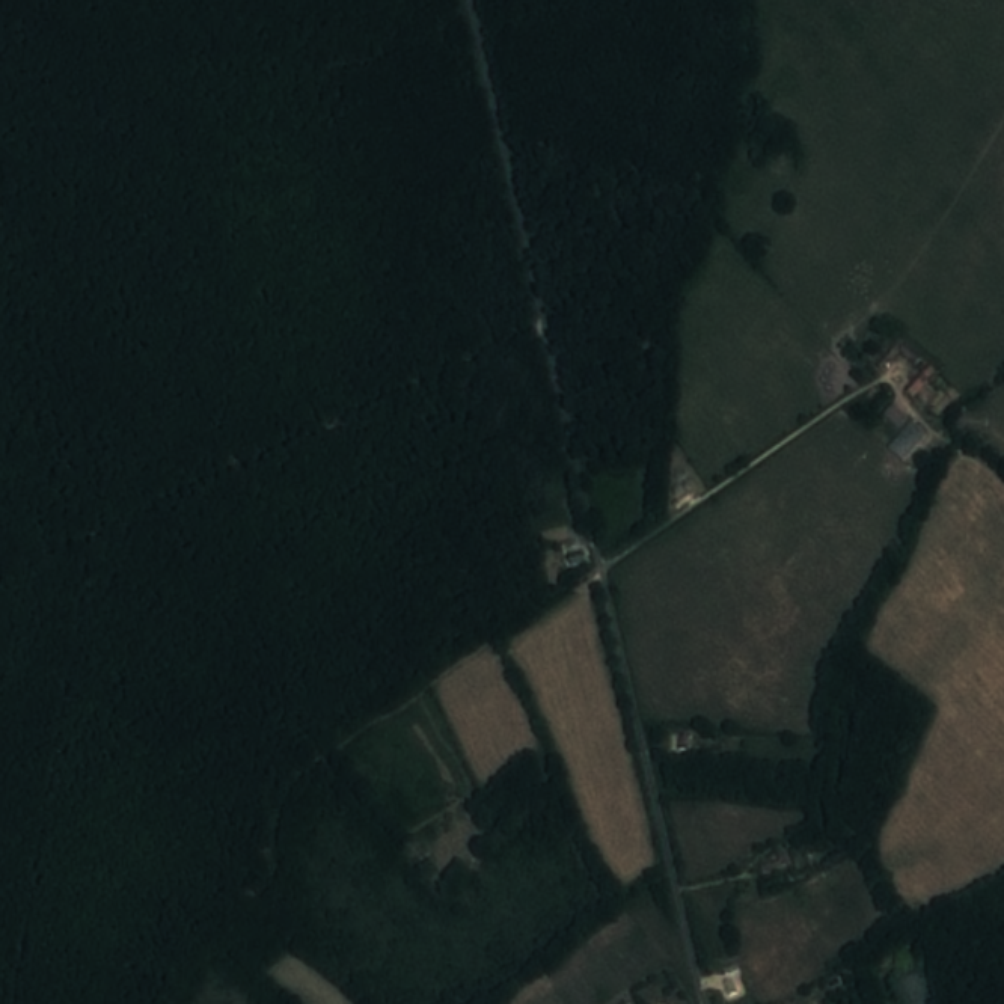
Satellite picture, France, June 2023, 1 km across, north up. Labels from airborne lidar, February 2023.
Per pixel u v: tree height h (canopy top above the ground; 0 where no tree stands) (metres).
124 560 30
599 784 0
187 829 24
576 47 17
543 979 9
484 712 0
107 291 27
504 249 22
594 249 23
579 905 7
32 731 24
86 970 22
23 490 29
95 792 25
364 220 21
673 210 33
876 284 0
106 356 24
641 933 0
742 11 20
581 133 20
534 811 14
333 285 18
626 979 0
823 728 23
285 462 24
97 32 25
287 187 21
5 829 21
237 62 24
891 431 0
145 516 19
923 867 0
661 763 16
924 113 0
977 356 0
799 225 0
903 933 18
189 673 28
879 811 12
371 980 6
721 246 0
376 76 16
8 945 23
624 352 28
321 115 19
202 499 27
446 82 16
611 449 24
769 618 0
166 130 27
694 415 0
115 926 21
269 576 25
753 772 16
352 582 22
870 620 15
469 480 24
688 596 0
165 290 27
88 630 25
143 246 26
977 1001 22
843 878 0
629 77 16
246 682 29
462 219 22
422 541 25
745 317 0
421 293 23
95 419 27
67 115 31
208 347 26
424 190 16
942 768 0
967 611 0
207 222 25
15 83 31
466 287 19
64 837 21
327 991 0
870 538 0
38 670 23
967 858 0
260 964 14
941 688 0
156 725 27
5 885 21
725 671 0
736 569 0
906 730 16
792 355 0
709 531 0
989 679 0
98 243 25
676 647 0
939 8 0
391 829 20
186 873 25
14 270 26
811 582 0
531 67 15
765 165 11
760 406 0
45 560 30
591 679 0
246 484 27
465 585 21
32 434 27
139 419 27
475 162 16
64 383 23
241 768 27
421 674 17
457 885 22
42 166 27
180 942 23
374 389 24
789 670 0
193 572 26
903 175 0
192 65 26
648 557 0
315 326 21
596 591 14
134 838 21
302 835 7
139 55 28
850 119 0
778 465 0
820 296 0
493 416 24
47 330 25
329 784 7
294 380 22
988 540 0
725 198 16
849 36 0
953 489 0
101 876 19
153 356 28
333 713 28
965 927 25
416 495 27
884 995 10
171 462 25
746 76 24
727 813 0
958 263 0
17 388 26
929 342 0
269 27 23
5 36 27
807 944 0
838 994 8
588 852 14
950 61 0
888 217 0
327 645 27
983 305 0
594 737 0
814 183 0
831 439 0
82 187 27
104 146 26
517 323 23
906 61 0
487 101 15
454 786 0
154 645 25
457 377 25
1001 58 0
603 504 0
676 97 19
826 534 0
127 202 26
